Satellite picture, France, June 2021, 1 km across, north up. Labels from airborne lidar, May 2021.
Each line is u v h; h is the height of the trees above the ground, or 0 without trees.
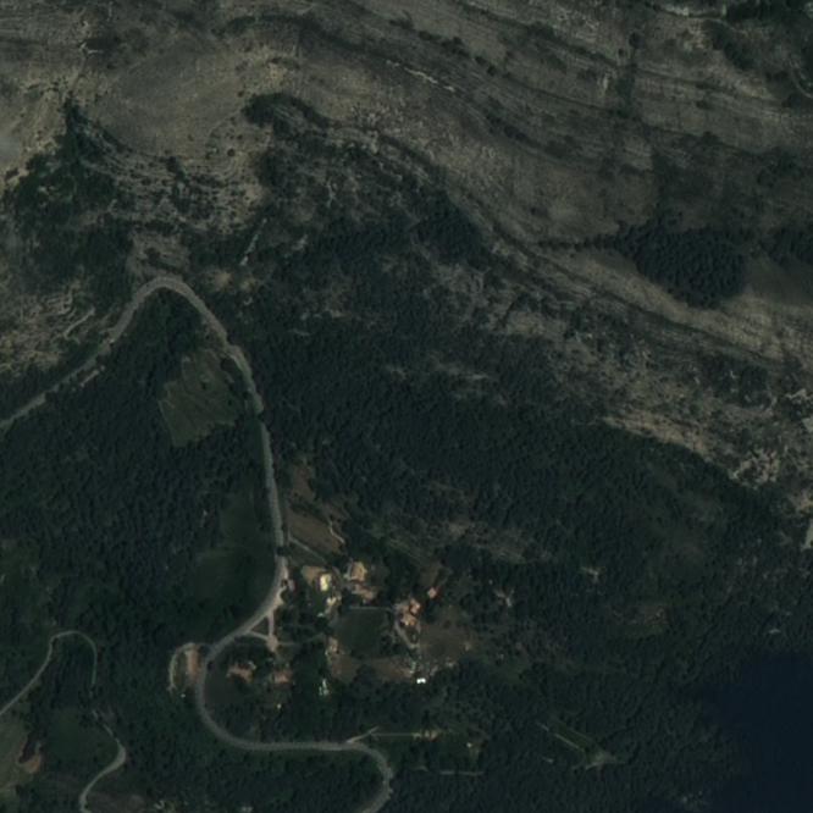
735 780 15
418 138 0
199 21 0
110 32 0
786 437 0
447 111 0
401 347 8
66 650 8
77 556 17
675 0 7
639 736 14
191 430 0
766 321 0
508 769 15
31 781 6
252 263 6
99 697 10
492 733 15
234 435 18
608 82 0
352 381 9
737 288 9
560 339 0
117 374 12
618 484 12
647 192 0
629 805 11
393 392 9
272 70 0
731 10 7
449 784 11
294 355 7
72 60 0
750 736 14
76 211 7
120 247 10
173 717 10
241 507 0
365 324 8
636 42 8
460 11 0
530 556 9
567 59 0
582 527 11
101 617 8
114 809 0
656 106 0
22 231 9
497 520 16
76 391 8
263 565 0
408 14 0
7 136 0
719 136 0
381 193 8
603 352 7
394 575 8
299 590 8
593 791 11
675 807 9
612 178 0
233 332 8
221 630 8
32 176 9
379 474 13
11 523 16
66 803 9
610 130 0
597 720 15
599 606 6
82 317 20
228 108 0
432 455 15
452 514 12
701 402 0
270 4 0
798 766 10
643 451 7
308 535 0
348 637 0
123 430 17
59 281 6
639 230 7
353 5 0
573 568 6
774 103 0
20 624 6
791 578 9
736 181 0
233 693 0
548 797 13
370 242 6
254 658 13
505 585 11
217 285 0
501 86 0
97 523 13
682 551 0
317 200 7
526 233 0
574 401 6
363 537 15
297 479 0
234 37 0
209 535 12
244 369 0
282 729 14
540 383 9
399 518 11
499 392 8
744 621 11
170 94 0
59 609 13
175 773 11
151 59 0
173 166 7
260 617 0
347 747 0
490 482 13
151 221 5
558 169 0
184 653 0
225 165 0
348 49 0
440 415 17
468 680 13
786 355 0
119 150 7
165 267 7
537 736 14
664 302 0
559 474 11
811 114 0
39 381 11
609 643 9
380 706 12
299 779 13
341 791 16
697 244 13
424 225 7
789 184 0
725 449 0
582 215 0
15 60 0
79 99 0
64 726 0
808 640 11
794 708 13
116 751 0
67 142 8
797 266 0
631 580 11
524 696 13
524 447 11
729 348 0
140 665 7
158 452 14
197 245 7
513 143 0
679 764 13
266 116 9
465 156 0
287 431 15
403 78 0
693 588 8
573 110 0
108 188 8
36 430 12
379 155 7
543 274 0
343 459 7
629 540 14
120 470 14
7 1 0
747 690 14
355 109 0
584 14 0
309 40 0
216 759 7
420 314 9
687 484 6
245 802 13
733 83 0
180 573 14
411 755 8
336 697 7
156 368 15
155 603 11
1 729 0
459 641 0
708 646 13
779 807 12
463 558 13
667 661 12
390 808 11
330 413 7
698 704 14
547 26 0
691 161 0
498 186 0
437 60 0
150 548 9
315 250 10
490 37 0
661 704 12
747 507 9
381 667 0
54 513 9
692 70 0
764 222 0
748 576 8
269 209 10
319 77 0
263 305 8
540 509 15
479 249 8
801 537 8
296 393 13
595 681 11
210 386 7
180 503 10
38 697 16
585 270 0
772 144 0
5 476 13
